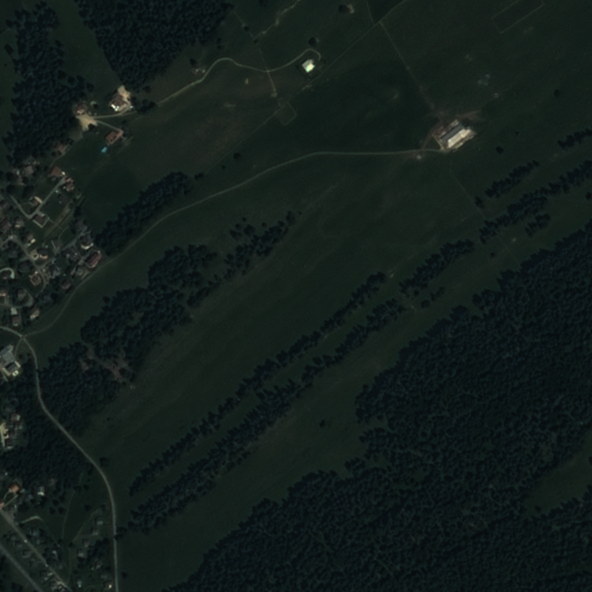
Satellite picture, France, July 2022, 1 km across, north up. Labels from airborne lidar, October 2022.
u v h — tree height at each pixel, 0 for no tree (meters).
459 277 0
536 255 0
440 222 0
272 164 0
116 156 0
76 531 0
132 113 0
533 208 19
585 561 23
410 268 0
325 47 0
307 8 0
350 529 19
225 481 0
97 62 0
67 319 0
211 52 0
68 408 15
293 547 28
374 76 0
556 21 0
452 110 0
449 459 22
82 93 11
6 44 0
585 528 18
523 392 15
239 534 11
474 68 0
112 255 20
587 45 0
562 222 0
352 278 0
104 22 10
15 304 6
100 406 13
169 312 12
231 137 0
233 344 0
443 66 0
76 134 0
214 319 0
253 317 0
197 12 16
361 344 16
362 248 0
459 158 0
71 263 10
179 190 24
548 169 0
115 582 0
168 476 0
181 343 0
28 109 29
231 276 8
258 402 0
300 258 0
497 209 0
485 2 0
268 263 0
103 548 22
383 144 0
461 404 9
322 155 0
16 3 0
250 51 0
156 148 0
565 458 30
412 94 0
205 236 0
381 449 19
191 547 0
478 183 0
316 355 0
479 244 0
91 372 7
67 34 0
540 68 0
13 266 16
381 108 0
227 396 0
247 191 0
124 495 0
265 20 0
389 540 24
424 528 27
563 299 22
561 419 18
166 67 11
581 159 0
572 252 24
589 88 0
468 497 25
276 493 0
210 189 0
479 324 26
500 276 0
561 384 14
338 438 0
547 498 0
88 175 0
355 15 0
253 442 19
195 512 0
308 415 0
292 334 0
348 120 0
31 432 16
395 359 0
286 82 0
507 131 0
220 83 0
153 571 0
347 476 0
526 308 12
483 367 18
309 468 0
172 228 0
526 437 28
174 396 0
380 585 17
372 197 0
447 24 0
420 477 0
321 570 23
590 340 29
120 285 0
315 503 23
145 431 0
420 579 24
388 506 19
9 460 18
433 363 10
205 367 0
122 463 0
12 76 0
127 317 17
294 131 0
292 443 0
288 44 0
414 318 0
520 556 13
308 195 0
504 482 24
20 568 0
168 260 14
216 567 7
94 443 0
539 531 21
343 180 0
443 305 0
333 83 0
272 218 0
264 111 0
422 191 0
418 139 0
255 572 16
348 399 0
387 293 0
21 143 9
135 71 22
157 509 20
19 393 21
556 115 0
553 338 25
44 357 0
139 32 21
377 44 0
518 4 0
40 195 0
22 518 0
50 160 0
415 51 0
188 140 0
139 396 0
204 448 0
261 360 0
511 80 0
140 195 0
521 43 0
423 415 19
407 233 0
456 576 30
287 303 0
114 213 0
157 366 0
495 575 19
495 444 17
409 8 0
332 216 0
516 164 0
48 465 18
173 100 0
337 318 13
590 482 0
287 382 0
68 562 0
